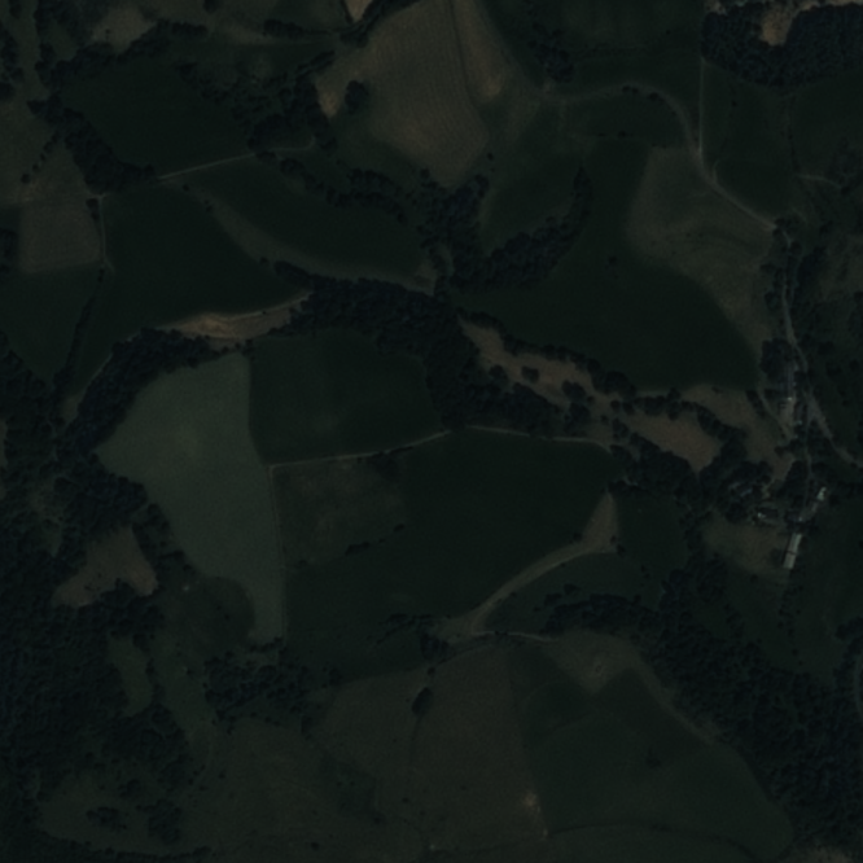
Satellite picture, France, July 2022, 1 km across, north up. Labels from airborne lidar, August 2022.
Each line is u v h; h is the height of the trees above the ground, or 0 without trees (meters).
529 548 0
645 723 0
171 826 8
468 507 0
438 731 0
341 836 0
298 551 0
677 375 0
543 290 0
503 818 0
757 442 0
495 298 0
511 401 12
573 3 0
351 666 0
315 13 0
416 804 0
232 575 0
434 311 26
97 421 15
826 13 18
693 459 0
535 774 0
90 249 0
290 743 0
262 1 0
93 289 0
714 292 0
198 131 0
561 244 23
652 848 0
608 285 0
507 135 0
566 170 0
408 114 0
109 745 8
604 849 0
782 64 15
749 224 0
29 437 24
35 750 7
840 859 0
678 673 8
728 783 0
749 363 0
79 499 16
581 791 0
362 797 0
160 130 0
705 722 0
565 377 0
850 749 18
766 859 0
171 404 0
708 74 0
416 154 0
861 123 0
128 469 0
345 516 0
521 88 0
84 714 11
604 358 0
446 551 0
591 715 0
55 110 17
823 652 0
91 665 9
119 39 0
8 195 0
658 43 0
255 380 0
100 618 15
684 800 0
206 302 0
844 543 0
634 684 0
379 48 0
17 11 10
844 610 0
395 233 0
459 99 0
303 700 7
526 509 0
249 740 0
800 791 15
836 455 8
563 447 0
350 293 25
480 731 0
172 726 14
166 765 8
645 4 0
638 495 13
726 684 23
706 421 19
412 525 0
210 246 0
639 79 0
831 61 23
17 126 0
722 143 0
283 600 0
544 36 11
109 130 0
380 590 0
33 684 9
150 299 0
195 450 0
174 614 0
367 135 0
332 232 0
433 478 0
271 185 0
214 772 0
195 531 0
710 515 6
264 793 0
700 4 0
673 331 0
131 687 0
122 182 19
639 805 0
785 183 0
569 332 0
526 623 0
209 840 0
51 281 0
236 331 0
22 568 16
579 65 0
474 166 0
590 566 0
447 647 11
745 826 0
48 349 0
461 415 23
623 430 15
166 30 8
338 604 0
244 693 12
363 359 0
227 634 0
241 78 6
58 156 0
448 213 8
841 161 0
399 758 0
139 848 0
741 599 0
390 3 21
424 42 0
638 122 0
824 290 0
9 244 13
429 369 13
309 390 0
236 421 0
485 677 0
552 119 0
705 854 0
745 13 12
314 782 0
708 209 0
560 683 0
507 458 0
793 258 11
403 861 0
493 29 0
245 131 8
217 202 0
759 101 0
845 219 0
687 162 0
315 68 9
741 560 0
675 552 0
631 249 0
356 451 0
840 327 0
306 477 0
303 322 16
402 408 0
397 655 0
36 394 20
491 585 0
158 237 0
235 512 0
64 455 17
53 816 0
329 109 0
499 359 0
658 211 0
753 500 10
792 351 15
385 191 21
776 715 17
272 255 0
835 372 18
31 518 7
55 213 0
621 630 10
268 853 0
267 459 0
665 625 14
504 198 0
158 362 21
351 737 0
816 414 0
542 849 0
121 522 12
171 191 0
